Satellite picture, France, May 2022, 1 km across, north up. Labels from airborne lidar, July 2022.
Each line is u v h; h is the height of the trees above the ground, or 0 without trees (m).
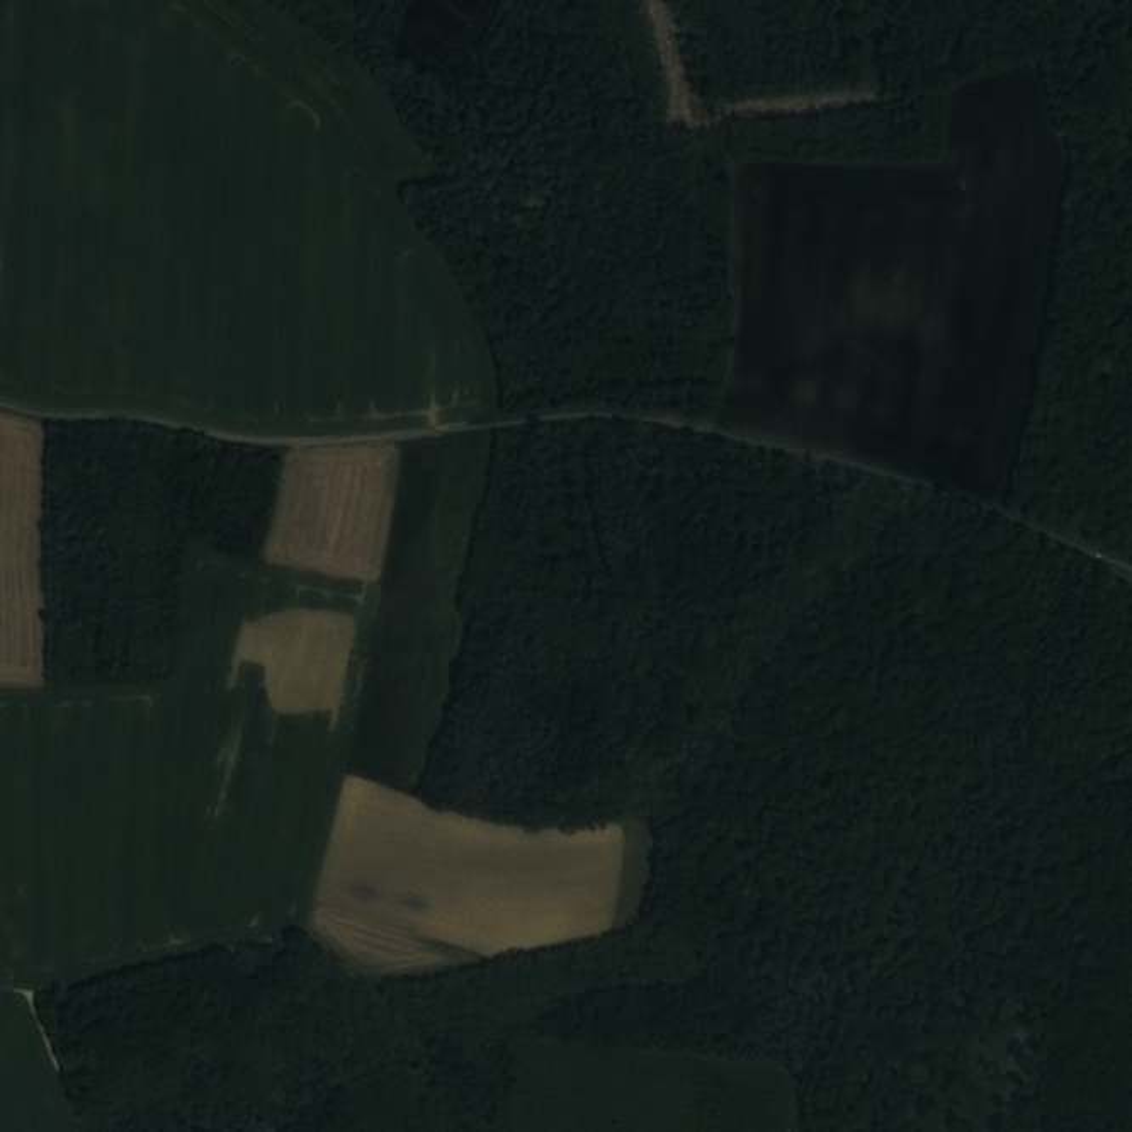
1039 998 25
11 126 0
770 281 0
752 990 26
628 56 21
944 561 24
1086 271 21
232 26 0
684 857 27
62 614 15
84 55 0
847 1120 23
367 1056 21
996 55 18
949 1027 24
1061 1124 14
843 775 19
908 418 0
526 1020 16
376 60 17
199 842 0
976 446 0
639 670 22
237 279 0
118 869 0
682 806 23
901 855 21
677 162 22
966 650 16
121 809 0
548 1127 0
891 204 0
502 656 25
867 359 0
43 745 0
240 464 17
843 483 7
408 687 0
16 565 0
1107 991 26
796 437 0
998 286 0
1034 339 0
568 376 15
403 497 0
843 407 0
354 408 0
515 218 27
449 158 23
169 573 13
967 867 24
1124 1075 13
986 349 0
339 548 0
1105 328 23
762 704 21
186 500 12
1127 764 19
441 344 0
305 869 0
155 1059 22
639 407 14
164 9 0
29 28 0
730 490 23
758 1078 0
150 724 0
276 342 0
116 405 0
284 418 0
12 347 0
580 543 8
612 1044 27
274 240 0
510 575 13
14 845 0
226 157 0
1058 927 25
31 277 0
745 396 0
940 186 0
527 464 13
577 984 15
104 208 0
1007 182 0
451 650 0
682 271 18
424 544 0
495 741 22
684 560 22
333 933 0
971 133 0
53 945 0
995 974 20
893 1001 20
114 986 15
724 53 24
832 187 0
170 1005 21
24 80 0
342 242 0
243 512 19
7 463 0
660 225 17
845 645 30
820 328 0
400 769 0
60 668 16
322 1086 23
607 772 24
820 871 22
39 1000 10
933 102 9
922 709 17
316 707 0
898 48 18
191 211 0
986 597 20
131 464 18
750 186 0
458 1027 19
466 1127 21
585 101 20
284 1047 19
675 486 23
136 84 0
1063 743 22
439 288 0
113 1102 18
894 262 0
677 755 27
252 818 0
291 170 0
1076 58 23
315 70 0
